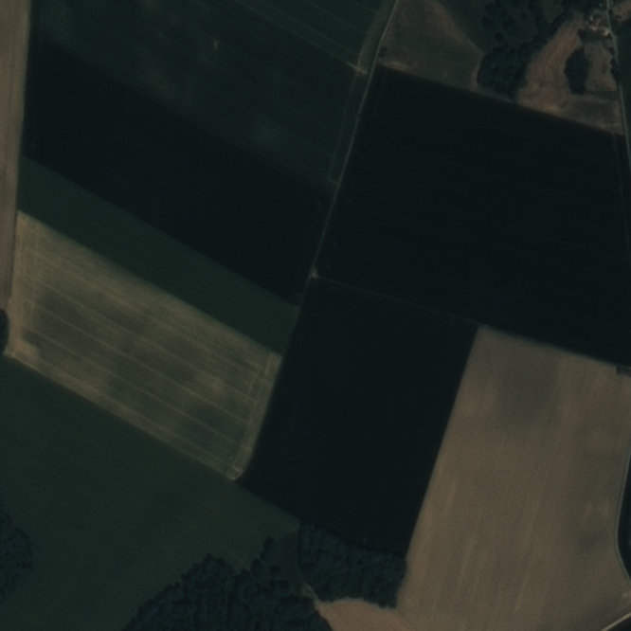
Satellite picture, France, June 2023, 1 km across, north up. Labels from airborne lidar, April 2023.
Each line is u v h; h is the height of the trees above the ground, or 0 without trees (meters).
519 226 0
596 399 0
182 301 0
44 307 0
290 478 0
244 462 0
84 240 0
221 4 0
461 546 0
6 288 0
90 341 0
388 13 0
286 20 0
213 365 0
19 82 0
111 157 0
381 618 0
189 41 0
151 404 0
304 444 0
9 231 0
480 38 0
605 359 0
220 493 0
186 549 0
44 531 0
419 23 0
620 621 0
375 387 0
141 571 0
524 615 0
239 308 0
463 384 0
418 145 0
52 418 0
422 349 0
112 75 0
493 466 0
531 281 0
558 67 0
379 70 0
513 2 17
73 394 0
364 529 0
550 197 0
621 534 0
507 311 0
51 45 0
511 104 0
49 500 0
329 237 0
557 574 0
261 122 0
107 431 0
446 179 0
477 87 0
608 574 0
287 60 0
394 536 0
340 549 23
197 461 0
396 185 0
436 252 0
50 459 0
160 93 0
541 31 14
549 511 0
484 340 0
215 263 0
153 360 0
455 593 0
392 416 0
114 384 0
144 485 0
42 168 0
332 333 0
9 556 19
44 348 0
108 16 0
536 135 0
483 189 0
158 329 0
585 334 0
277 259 0
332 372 0
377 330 0
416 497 0
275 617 23
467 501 0
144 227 0
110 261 0
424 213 0
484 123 0
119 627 0
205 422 0
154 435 0
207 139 0
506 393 0
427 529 0
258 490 0
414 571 0
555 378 0
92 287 0
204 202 0
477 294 0
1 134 0
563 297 0
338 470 0
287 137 0
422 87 0
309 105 0
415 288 0
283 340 0
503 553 0
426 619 0
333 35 0
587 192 0
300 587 0
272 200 0
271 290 0
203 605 22
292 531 0
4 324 17
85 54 0
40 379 0
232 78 0
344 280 0
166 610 25
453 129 0
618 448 0
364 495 0
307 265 0
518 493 0
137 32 0
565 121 0
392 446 0
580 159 0
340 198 0
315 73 0
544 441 0
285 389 0
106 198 0
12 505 0
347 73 0
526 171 0
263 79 0
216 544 0
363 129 0
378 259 0
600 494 0
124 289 0
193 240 0
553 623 0
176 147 0
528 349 0
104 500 0
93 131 0
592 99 0
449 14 0
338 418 0
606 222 0
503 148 0
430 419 0
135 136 0
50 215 0
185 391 0
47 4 0
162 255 0
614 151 0
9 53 0
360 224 0
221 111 0
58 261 0
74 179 0
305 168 0
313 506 0
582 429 0
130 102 0
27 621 0
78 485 0
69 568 0
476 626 0
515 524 0
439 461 0
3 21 0
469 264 0
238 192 0
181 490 0
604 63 0
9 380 0
